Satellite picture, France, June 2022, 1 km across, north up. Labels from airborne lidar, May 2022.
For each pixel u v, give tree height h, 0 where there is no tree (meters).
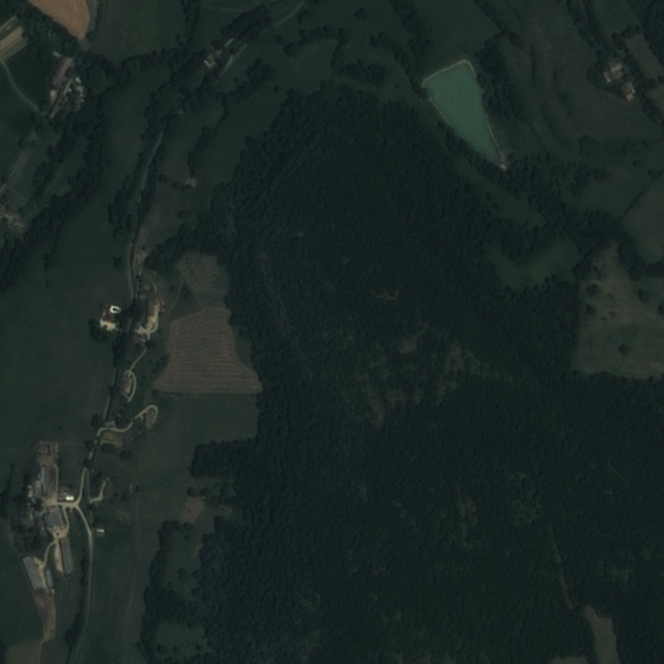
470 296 15
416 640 9
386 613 12
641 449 12
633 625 11
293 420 13
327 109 14
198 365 0
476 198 11
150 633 14
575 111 0
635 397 21
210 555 29
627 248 21
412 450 11
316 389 9
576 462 12
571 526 13
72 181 15
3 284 17
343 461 8
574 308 19
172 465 0
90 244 0
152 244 0
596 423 12
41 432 0
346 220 10
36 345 0
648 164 0
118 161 0
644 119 0
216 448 27
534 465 12
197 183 0
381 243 8
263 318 12
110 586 0
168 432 0
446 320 9
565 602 12
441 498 11
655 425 16
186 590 0
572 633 8
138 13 0
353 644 12
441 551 10
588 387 19
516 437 13
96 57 11
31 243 17
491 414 13
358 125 21
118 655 0
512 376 8
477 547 8
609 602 13
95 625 0
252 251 9
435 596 10
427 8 0
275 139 10
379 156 20
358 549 8
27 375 0
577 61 0
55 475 0
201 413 0
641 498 10
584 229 11
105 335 23
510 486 9
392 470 14
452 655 12
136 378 0
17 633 0
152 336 0
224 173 0
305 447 9
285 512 15
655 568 9
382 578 11
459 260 21
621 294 0
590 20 8
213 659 13
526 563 11
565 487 13
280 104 0
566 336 22
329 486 7
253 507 9
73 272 0
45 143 0
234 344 0
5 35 0
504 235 12
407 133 17
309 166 10
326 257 6
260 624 8
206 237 11
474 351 8
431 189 22
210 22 0
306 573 8
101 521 11
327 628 10
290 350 9
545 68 0
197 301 0
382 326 7
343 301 8
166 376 0
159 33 0
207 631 11
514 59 0
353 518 11
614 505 10
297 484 10
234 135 0
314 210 11
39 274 0
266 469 18
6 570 0
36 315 0
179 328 0
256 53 0
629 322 0
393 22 0
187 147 0
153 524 0
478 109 0
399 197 14
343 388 6
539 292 18
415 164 20
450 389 9
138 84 0
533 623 9
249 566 18
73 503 0
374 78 13
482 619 10
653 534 10
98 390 0
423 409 13
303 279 7
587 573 12
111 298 0
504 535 10
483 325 9
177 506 0
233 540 18
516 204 0
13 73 0
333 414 7
